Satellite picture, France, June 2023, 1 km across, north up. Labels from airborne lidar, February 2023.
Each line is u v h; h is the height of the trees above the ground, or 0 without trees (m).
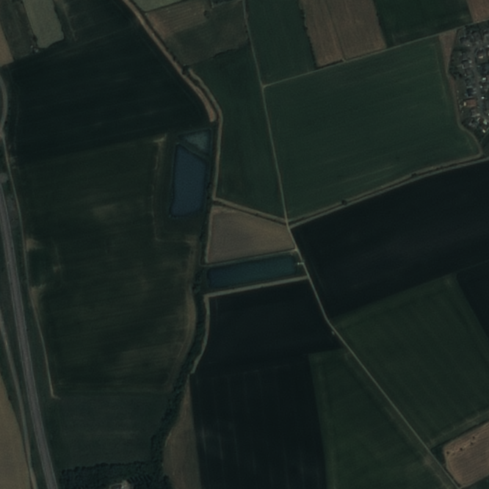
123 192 0
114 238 0
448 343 0
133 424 0
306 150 0
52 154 0
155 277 0
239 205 0
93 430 0
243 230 0
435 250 0
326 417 0
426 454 0
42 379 0
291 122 0
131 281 0
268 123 0
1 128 0
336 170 0
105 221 0
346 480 0
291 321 0
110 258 0
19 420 0
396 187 0
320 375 0
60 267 0
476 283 0
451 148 0
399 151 0
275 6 0
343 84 0
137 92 0
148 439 0
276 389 0
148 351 0
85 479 17
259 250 0
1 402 0
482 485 0
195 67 0
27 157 0
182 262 0
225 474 0
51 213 0
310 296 0
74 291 0
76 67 0
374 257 0
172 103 0
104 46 0
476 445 0
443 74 0
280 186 0
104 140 0
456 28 0
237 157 0
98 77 0
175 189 0
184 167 0
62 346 0
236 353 0
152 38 0
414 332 0
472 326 0
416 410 0
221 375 0
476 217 0
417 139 0
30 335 0
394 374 0
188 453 0
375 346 0
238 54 0
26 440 0
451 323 0
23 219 0
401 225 0
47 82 0
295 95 0
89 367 0
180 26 0
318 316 0
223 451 0
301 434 0
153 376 0
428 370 0
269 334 0
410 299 0
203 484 0
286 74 0
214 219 0
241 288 0
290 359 0
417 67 0
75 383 0
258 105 0
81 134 0
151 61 0
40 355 0
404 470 0
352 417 0
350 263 0
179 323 0
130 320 0
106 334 0
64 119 0
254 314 0
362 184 0
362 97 0
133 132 0
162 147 0
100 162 0
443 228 0
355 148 0
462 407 0
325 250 0
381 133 0
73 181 0
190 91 0
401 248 0
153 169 0
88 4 0
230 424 0
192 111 0
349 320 0
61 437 0
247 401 0
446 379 0
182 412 0
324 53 0
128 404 0
